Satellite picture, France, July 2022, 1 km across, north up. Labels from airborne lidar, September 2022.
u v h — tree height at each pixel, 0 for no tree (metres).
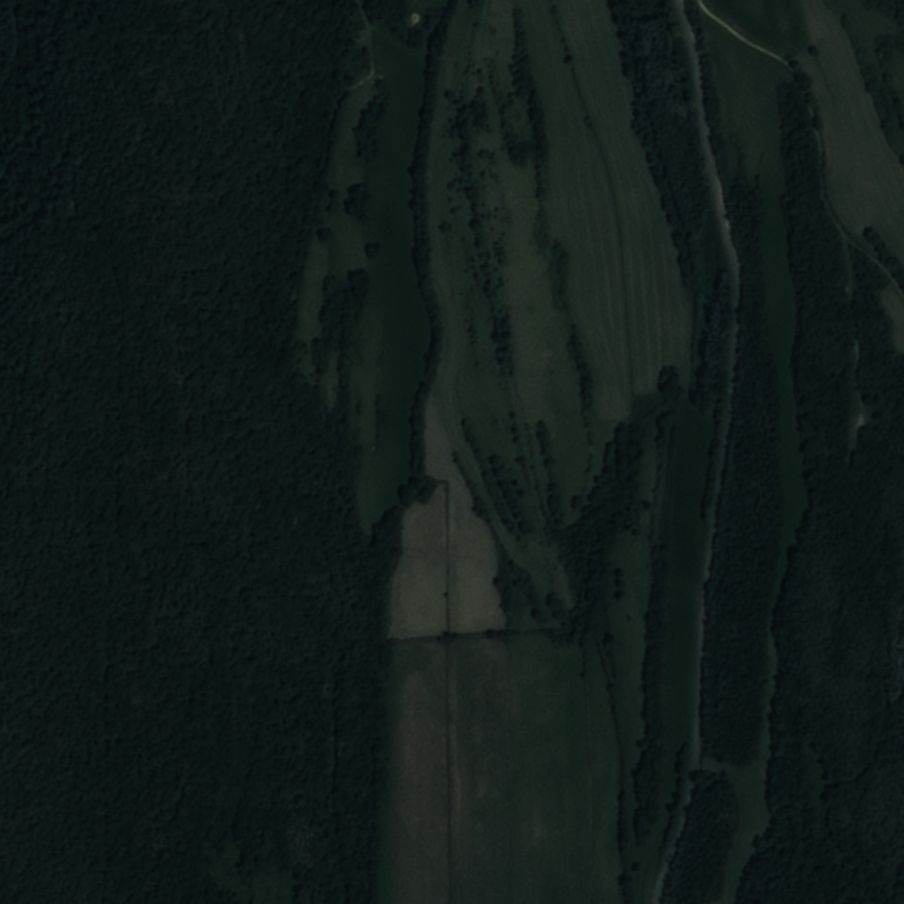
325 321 16
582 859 0
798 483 0
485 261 10
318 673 12
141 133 13
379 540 19
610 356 0
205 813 14
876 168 0
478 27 7
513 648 0
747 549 11
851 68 0
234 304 20
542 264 0
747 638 14
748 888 16
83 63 8
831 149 0
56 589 14
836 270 10
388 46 0
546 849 0
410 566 0
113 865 20
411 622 0
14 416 12
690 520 0
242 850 9
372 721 7
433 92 8
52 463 12
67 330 15
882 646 7
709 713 10
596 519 19
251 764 13
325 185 22
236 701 14
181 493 14
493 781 0
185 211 16
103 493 15
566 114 0
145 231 16
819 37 0
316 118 10
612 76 0
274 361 17
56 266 13
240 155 17
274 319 22
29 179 16
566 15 0
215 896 12
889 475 11
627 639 0
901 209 0
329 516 14
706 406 22
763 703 11
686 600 0
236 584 17
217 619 17
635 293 0
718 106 10
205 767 18
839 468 9
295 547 14
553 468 13
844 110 0
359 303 8
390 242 0
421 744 0
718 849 16
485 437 0
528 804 0
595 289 0
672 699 0
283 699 9
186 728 14
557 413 0
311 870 16
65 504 15
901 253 0
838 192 0
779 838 14
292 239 17
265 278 17
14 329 13
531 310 0
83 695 15
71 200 12
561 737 0
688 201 17
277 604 15
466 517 0
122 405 16
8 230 8
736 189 11
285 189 13
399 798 0
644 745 15
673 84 8
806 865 16
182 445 15
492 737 0
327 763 17
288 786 21
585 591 15
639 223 0
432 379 8
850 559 11
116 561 21
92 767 16
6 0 22
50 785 16
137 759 18
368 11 15
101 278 16
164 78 15
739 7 0
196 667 15
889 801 8
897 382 8
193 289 18
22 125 20
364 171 0
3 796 16
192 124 14
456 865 0
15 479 15
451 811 0
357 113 0
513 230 0
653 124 16
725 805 17
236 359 14
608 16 0
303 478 15
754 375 12
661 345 0
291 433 13
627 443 10
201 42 15
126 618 18
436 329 10
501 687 0
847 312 8
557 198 0
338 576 11
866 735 8
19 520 12
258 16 15
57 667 19
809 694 10
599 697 0
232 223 17
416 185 13
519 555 0
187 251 17
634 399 0
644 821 14
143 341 18
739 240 9
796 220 11
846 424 12
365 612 18
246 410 10
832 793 13
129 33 19
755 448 13
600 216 0
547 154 20
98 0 23
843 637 12
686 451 0
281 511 15
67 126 18
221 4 10
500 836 0
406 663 0
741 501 11
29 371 13
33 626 17
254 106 15
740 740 14
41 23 17
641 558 0
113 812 15
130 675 16
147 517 17
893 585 14
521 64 18
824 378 9
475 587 0
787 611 18
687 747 6
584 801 0
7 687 15
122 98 14
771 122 0
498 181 5
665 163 19
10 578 13
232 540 13
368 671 7
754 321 11
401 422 0
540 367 0
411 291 0
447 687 0
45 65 22
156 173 13
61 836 13
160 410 17
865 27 0
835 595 9
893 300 0
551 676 0
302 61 11
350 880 14
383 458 0
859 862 16
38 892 14
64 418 14
